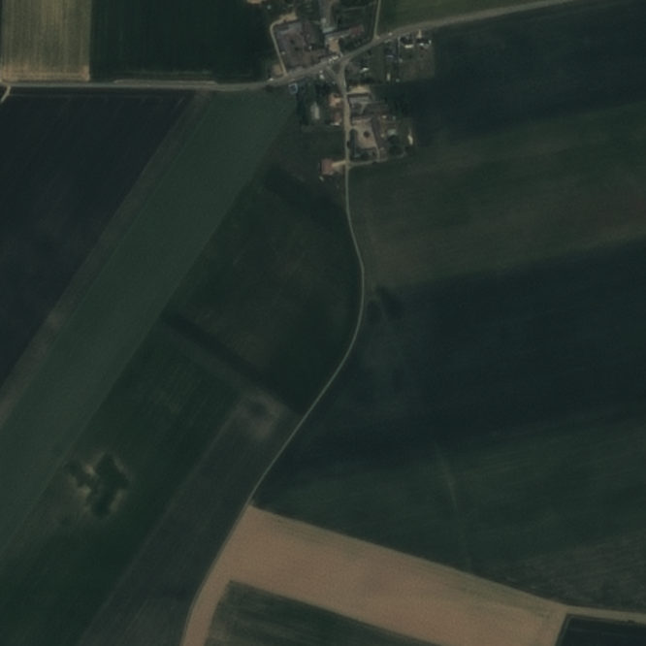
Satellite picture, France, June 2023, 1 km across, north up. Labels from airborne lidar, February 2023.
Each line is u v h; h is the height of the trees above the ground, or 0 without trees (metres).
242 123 0
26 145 0
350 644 0
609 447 0
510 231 0
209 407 0
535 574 0
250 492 0
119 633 0
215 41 0
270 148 0
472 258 0
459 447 0
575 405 0
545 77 0
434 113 0
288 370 0
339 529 0
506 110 0
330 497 0
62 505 0
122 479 0
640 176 0
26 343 0
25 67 0
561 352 0
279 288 0
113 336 0
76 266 0
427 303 0
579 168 0
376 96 0
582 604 0
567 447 0
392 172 0
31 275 0
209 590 0
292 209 0
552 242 0
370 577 0
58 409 0
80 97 0
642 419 0
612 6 0
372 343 0
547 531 0
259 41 0
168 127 0
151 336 0
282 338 0
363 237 0
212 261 0
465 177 0
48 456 0
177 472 0
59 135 0
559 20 0
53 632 0
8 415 0
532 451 0
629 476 0
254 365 0
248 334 0
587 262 0
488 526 0
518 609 0
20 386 0
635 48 0
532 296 0
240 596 0
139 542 0
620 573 0
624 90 0
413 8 0
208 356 0
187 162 0
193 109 0
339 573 0
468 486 0
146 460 0
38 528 0
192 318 0
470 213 0
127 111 0
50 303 0
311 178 0
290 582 0
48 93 0
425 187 0
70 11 0
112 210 0
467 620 0
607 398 0
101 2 0
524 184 0
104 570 0
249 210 0
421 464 0
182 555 0
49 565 0
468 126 0
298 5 0
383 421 0
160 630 0
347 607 0
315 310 0
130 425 0
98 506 0
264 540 0
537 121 0
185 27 0
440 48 0
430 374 0
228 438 0
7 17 0
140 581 0
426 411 0
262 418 0
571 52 0
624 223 0
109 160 0
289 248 0
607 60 0
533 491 0
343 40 6
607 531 0
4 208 0
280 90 0
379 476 0
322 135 0
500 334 0
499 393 0
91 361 0
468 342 0
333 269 0
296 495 0
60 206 0
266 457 0
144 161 0
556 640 0
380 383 0
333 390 0
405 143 0
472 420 0
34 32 0
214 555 0
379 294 0
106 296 0
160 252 0
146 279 0
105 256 0
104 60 0
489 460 0
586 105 0
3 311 0
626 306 0
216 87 0
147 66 0
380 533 0
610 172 0
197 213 0
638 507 0
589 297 0
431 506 0
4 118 0
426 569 0
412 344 0
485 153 0
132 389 0
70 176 0
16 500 0
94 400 0
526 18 0
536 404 0
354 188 0
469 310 0
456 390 0
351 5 6
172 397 0
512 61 0
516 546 0
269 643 0
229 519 0
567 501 0
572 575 0
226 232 0
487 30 0
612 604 0
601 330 0
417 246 0
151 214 0
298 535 0
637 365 0
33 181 0
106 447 0
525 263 0
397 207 0
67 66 0
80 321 0
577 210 0
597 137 0
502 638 0
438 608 0
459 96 0
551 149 0
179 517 0
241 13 0
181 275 0
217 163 0
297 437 0
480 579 0
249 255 0
